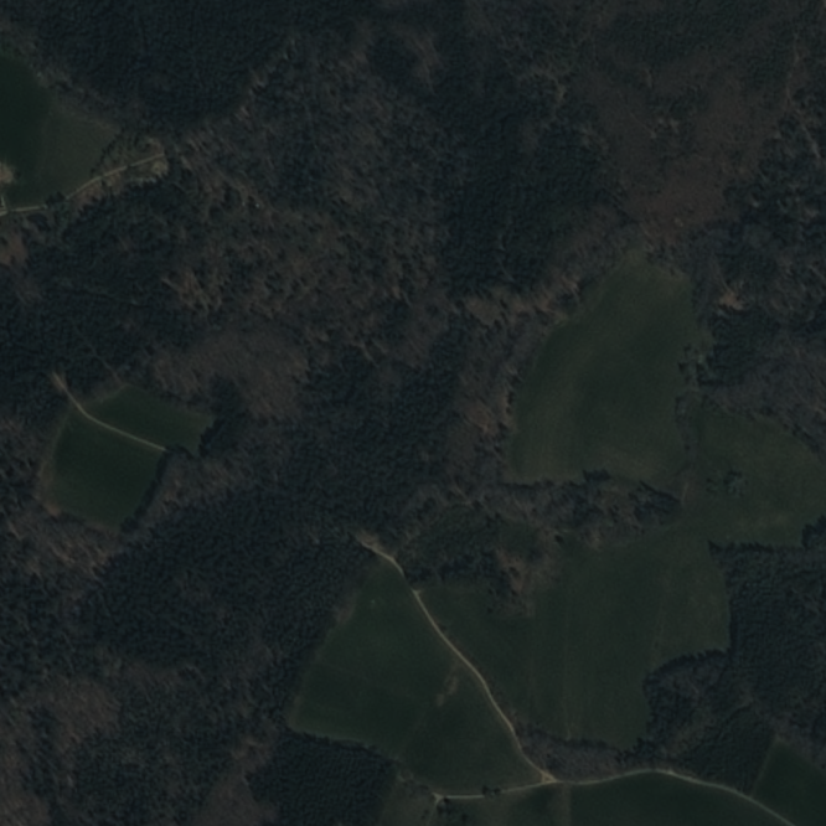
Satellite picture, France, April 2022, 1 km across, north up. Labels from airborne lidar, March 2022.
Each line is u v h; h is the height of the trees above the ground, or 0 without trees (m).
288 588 20
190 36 23
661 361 0
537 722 0
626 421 0
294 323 10
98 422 0
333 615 19
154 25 23
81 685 18
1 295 25
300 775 26
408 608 0
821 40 10
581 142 12
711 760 11
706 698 26
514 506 30
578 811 0
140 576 31
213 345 23
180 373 23
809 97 8
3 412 21
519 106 11
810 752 18
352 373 19
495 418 11
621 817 0
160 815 25
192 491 27
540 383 0
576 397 0
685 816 0
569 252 14
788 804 0
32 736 22
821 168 29
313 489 25
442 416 22
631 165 7
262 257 8
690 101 9
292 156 24
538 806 0
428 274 10
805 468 0
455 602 0
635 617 0
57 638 30
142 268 11
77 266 14
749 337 31
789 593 9
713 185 9
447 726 0
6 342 21
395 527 28
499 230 20
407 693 0
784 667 22
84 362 22
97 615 34
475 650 0
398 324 11
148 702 18
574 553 0
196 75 20
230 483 27
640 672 0
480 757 0
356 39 19
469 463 14
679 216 8
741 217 9
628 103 8
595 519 30
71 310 20
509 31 17
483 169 21
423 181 25
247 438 21
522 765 0
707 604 0
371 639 0
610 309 0
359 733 0
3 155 0
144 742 24
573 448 0
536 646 0
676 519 27
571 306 24
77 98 23
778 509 0
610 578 0
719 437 0
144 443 0
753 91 8
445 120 23
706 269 29
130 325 11
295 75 27
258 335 13
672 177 8
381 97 21
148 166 0
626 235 25
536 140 13
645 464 0
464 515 9
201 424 0
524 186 13
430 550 7
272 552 32
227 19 19
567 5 8
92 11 27
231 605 30
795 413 27
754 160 8
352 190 26
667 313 0
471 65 20
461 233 9
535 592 0
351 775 23
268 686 23
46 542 30
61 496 0
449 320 11
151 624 34
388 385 12
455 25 18
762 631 26
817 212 24
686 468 0
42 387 22
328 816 24
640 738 0
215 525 30
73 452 0
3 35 17
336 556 23
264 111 23
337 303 8
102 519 0
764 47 9
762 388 34
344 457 25
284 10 18
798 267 29
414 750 0
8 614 20
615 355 0
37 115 0
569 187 16
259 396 21
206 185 25
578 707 0
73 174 0
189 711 21
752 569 21
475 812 0
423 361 11
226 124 24
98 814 18
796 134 15
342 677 0
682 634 0
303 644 22
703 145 7
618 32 9
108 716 19
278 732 21
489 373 12
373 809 26
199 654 30
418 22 20
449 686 0
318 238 28
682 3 8
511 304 0
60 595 21
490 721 0
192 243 10
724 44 10
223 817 17
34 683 26
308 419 20
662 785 0
